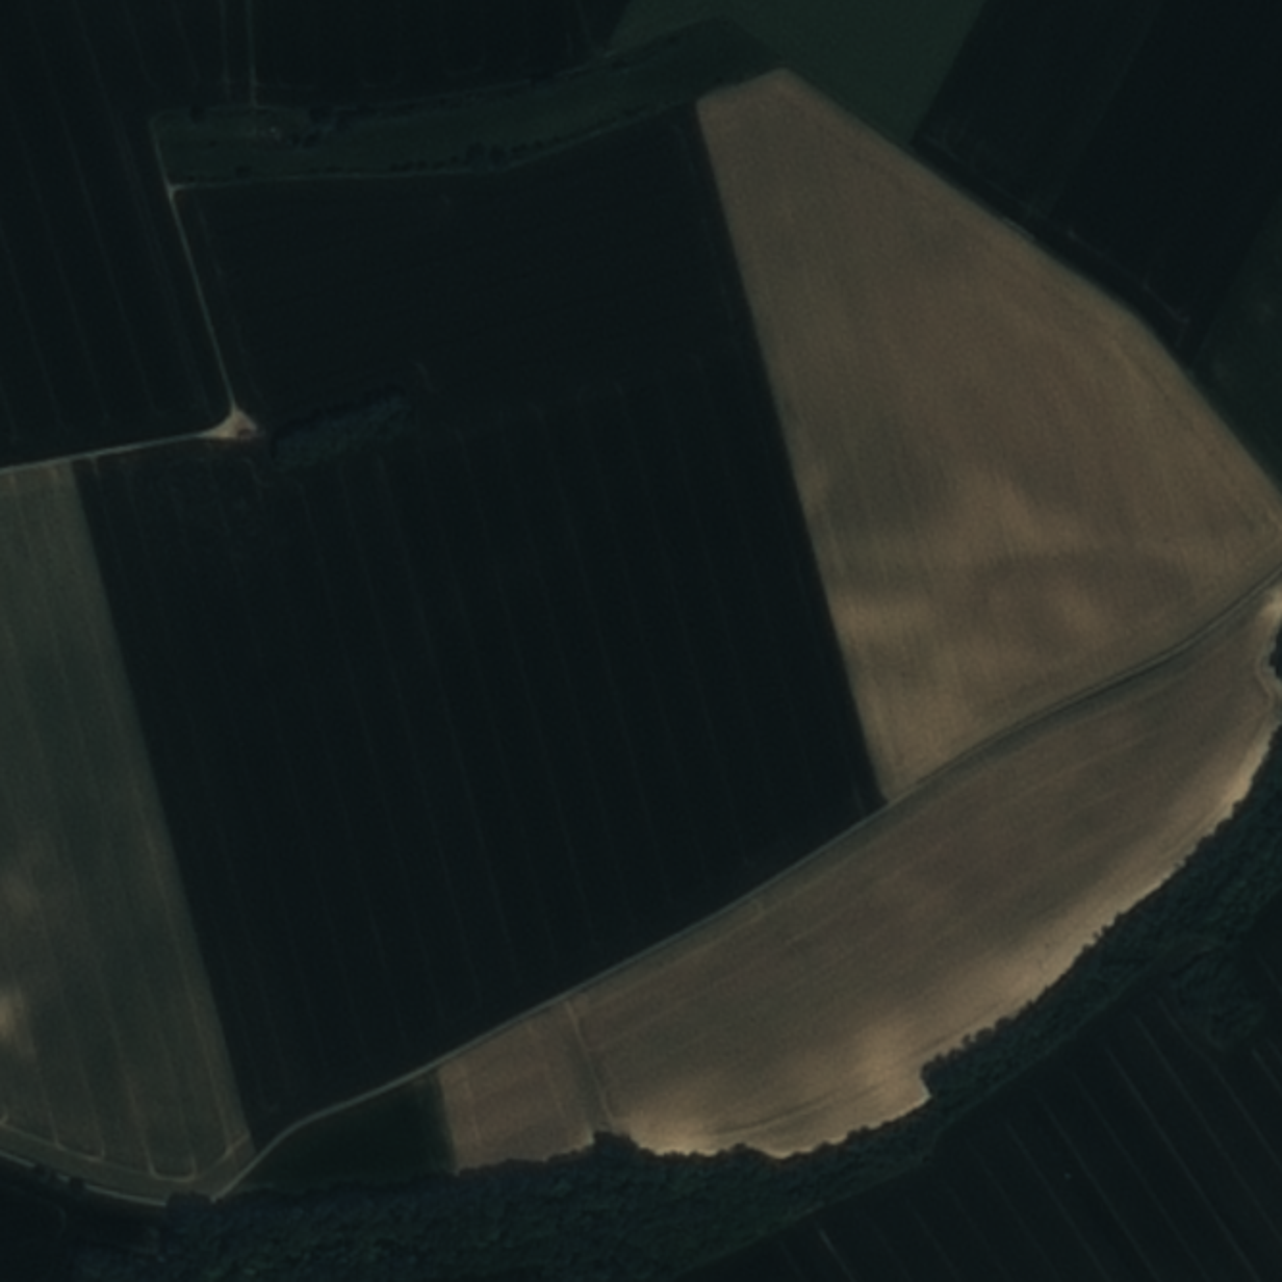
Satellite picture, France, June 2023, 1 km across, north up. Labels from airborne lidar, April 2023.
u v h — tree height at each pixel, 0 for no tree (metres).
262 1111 0
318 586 0
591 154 0
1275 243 0
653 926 0
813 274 0
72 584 0
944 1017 0
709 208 0
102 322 0
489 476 0
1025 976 0
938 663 0
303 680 0
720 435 0
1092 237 0
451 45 0
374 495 0
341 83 0
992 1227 0
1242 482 0
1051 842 0
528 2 0
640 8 0
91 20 0
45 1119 0
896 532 0
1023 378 0
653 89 0
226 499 0
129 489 0
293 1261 22
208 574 0
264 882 0
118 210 0
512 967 0
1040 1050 10
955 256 0
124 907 0
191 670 0
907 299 0
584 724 0
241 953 0
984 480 0
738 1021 0
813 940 0
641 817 0
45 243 0
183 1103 0
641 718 0
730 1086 0
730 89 0
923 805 0
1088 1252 0
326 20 0
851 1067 0
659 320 0
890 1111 0
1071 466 0
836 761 0
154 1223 0
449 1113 0
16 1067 0
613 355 0
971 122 0
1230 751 0
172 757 0
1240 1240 0
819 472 0
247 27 0
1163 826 0
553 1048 0
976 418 0
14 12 0
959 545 0
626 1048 0
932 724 0
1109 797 0
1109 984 11
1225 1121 0
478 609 0
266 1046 0
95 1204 0
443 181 0
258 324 0
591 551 0
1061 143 0
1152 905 10
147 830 0
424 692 0
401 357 0
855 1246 0
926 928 0
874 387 0
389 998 0
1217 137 0
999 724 0
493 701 0
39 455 0
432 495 0
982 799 0
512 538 0
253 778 0
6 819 0
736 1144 0
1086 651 0
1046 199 0
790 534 0
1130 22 0
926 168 0
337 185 0
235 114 0
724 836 0
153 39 0
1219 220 0
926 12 0
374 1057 0
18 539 0
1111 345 0
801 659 0
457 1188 20
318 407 0
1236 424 0
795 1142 0
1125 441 0
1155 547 0
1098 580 0
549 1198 23
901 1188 0
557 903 0
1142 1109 0
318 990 0
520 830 0
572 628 0
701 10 0
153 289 0
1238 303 0
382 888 0
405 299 0
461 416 0
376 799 0
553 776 0
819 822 0
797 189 0
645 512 0
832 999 0
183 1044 0
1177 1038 0
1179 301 0
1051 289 0
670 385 0
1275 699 0
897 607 0
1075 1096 0
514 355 0
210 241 0
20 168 0
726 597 0
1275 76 0
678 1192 13
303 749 0
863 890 0
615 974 0
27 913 0
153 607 0
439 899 0
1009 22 0
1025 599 0
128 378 0
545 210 0
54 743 0
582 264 0
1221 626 0
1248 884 11
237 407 0
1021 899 0
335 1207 18
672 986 0
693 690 0
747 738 0
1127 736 0
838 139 0
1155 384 0
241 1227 27
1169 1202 0
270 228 0
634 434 0
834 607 0
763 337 0
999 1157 0
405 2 0
